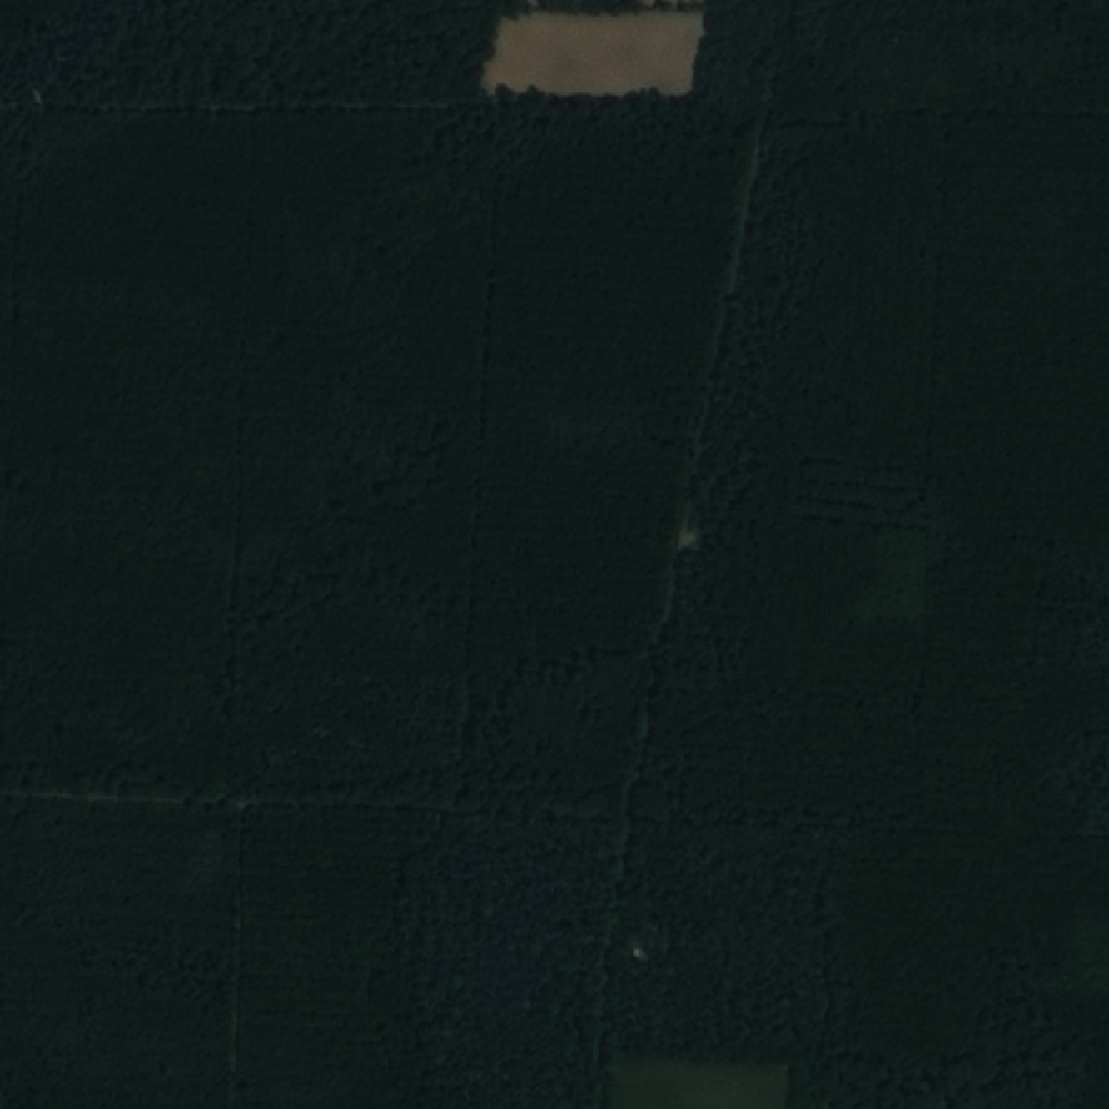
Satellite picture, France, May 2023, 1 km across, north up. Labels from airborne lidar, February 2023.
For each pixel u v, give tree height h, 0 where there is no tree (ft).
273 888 24
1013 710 51
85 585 42
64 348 39
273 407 34
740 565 44
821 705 38
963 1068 71
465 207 49
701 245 36
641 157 58
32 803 23
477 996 59
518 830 62
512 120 77
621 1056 35
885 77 52
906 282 45
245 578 31
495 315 39
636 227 33
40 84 82
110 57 32
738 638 34
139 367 34
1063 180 42
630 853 52
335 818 26
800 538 44
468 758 47
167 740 50
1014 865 51
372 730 47
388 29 47
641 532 37
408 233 47
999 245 41
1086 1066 47
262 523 39
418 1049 62
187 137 37
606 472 38
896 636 45
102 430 43
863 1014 48
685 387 39
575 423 40
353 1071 21
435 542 42
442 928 71
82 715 48
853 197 41
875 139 40
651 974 49
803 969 59
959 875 43
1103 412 42
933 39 50
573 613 39
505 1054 57
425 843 40
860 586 40
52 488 41
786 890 64
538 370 29
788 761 43
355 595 54
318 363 36
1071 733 54
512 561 38
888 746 39
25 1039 25
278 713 47
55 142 41
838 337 41
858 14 47
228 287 43
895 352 47
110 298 40
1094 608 43
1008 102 49
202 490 48
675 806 54
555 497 35
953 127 38
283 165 43
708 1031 41
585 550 43
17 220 38
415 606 65
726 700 41
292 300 38
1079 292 48
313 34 51
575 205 37
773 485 48
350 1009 19
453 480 46
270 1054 23
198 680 41
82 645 47
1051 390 52
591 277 38
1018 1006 70
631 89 0
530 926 73
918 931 47
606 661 83
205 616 41
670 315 37
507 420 37
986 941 47
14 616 46
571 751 45
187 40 77
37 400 44
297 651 75
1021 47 55
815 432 50
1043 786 52
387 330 37
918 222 42
